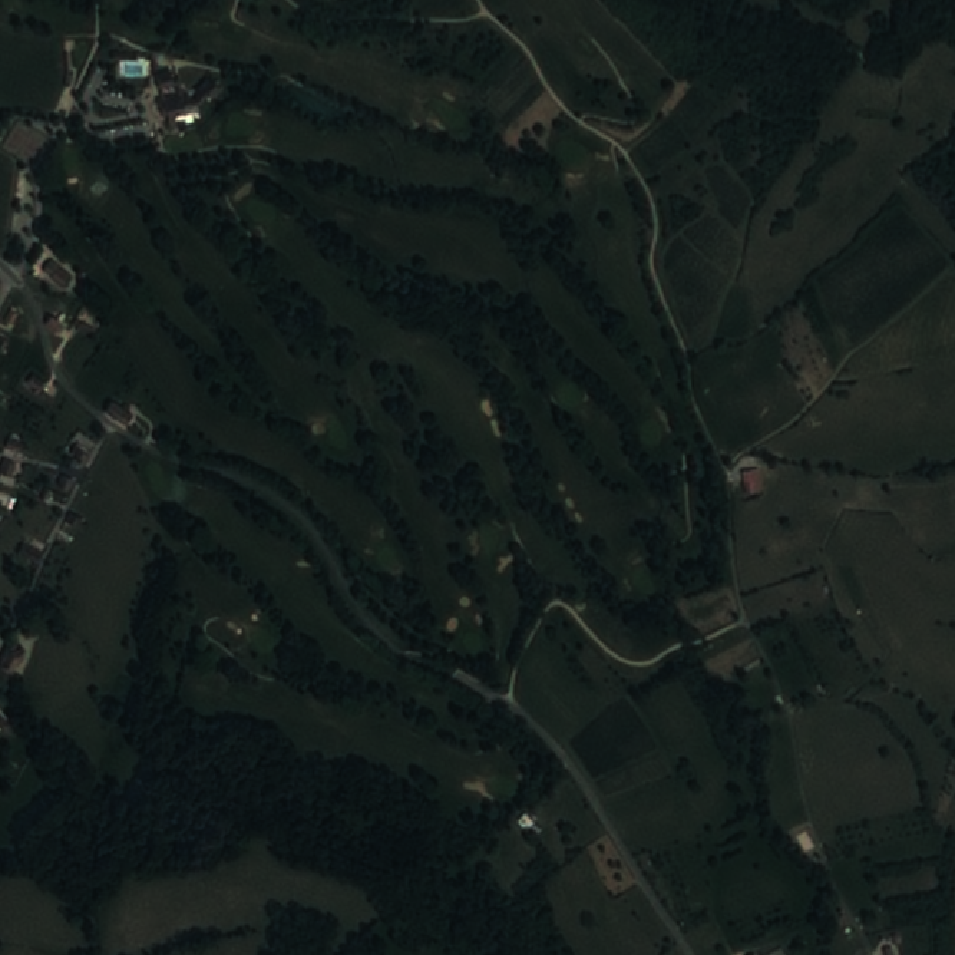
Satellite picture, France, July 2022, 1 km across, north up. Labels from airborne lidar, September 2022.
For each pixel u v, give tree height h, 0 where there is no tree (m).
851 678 0
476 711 12
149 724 24
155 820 32
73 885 30
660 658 0
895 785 0
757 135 9
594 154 0
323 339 18
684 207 8
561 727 0
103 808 33
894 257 0
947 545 0
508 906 8
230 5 0
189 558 0
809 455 0
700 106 0
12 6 0
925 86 0
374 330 0
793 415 0
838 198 0
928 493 0
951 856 7
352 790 19
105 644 0
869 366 0
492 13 0
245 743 28
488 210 17
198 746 29
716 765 0
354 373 0
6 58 0
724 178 0
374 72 0
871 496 0
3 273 0
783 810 0
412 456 12
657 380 14
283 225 0
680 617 18
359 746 0
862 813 0
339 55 0
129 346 0
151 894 0
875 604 0
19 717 18
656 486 23
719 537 14
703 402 0
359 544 0
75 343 0
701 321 0
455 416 0
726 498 14
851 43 11
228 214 7
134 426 6
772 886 0
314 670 17
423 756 0
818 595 0
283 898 0
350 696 19
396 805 20
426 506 0
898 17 20
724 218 0
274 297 17
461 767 0
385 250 0
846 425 0
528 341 18
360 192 9
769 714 0
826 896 20
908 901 10
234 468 12
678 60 8
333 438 0
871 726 0
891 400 0
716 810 0
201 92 0
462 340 18
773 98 11
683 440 9
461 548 10
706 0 10
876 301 0
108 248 24
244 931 11
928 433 0
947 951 0
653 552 20
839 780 0
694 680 23
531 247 18
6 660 0
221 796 30
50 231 21
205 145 0
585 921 14
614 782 0
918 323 0
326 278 0
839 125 0
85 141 17
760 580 0
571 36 0
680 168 6
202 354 18
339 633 0
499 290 18
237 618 0
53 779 18
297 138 0
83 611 0
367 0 7
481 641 0
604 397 23
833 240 0
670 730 0
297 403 0
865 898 0
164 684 23
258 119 0
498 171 19
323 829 16
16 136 0
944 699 0
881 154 0
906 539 0
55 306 0
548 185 16
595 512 0
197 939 20
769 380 0
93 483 0
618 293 0
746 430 0
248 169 18
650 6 8
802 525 0
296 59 0
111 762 0
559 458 0
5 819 0
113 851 32
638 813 0
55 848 30
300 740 0
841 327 0
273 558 0
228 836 26
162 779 33
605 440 0
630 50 0
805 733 0
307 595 0
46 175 21
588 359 0
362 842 14
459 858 17
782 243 0
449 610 0
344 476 18
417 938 11
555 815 0
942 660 0
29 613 22
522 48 0
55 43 0
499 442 0
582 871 0
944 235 0
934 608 0
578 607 0
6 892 0
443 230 0
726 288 0
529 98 0
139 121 8
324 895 0
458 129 0
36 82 0
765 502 0
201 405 0
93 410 0
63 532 0
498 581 0
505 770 0
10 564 24
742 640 0
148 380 0
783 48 17
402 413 21
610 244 0
